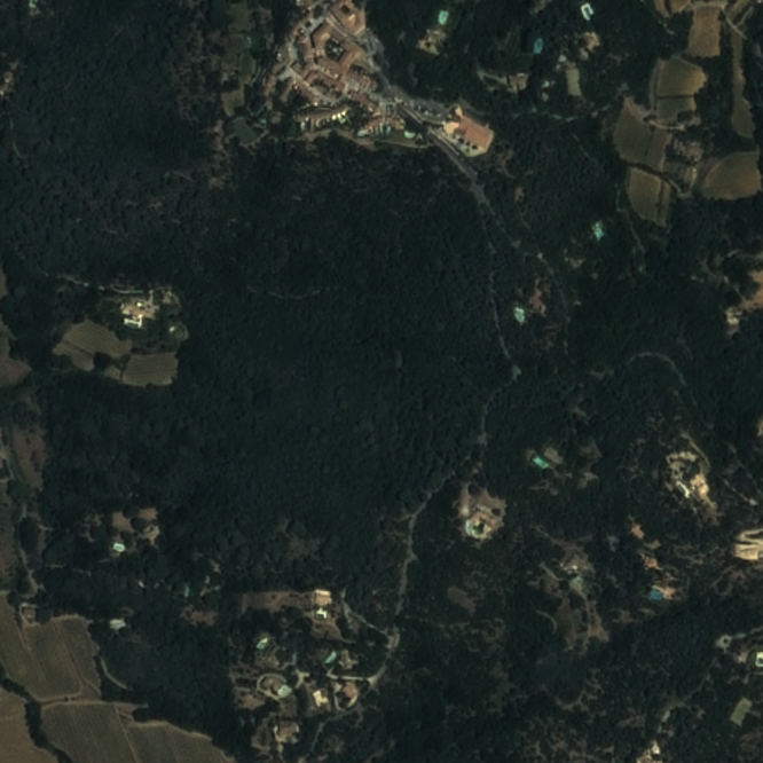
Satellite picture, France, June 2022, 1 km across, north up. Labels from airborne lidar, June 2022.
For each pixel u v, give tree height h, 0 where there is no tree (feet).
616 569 35
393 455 34
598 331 43
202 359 44
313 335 33
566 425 31
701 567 27
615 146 28
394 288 32
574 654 19
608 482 31
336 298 30
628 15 38
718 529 28
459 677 32
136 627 30
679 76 0
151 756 0
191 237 31
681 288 32
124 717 0
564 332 27
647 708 19
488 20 48
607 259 32
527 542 27
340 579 25
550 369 45
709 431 32
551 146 30
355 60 0
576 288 28
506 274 46
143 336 0
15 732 0
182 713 36
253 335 23
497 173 22
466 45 38
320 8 19
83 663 0
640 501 28
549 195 44
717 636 28
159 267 41
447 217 32
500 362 32
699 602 30
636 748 20
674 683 25
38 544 32
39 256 37
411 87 33
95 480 45
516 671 30
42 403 35
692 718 37
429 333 34
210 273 46
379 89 25
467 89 36
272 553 41
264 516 27
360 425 39
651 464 27
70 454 27
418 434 40
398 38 41
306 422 30
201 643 29
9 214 46
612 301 41
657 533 31
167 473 40
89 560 35
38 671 0
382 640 28
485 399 31
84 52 24
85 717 0
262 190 56
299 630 31
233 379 24
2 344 0
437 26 37
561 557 23
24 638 0
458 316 27
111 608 32
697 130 30
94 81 27
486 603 19
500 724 51
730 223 24
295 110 20
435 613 26
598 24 42
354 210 29
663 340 36
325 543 37
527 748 34
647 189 0
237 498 31
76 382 50
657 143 0
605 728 23
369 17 22
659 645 18
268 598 0
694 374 40
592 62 35
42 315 49
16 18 18
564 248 40
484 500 0
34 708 46
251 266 31
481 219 30
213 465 40
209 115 28
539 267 36
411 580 22
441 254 24
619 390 17
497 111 35
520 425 19
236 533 45
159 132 26
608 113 33
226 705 21
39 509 22
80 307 25
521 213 30
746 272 57
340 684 33
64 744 0
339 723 23
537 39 53
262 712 33
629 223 23
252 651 23
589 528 48
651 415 29
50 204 39
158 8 25
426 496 29
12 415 23
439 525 28
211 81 27
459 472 37
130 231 48
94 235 32
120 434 23
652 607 29
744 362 44
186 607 20
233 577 39
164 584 27
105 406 35
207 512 23
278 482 25
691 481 28
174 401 18
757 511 43
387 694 24
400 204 33
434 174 27
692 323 39
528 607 37
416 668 31
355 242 30
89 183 30
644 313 42
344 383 18
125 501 32
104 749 0
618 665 26
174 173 27
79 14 21
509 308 44
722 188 0
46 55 24
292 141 20
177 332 0
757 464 30
